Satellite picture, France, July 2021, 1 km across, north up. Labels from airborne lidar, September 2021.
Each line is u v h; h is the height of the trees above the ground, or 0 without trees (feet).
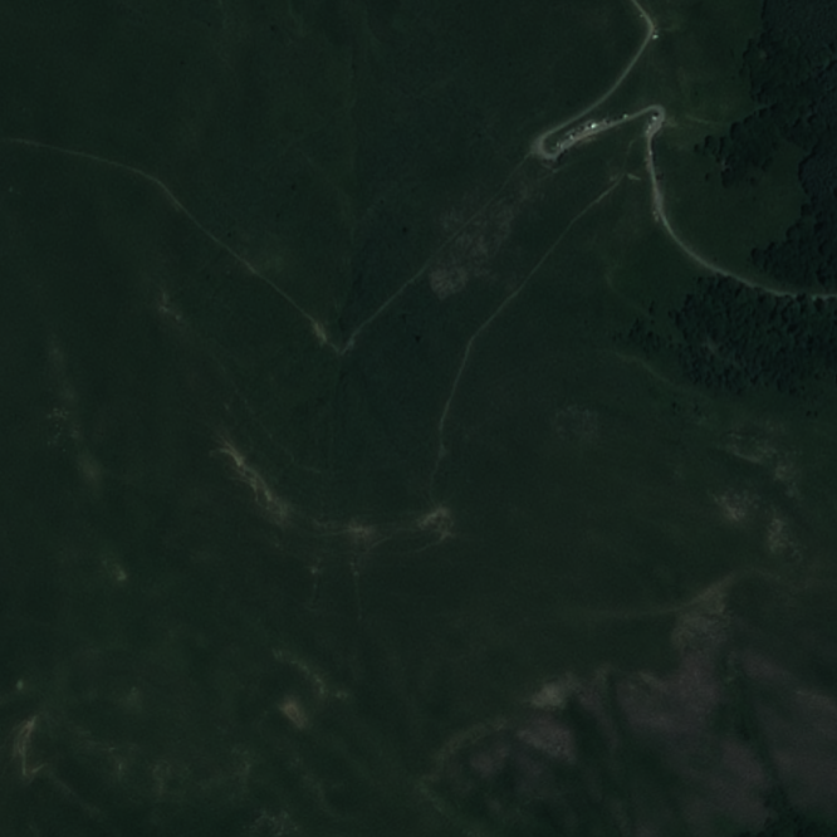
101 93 0
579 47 0
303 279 0
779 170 0
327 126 0
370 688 0
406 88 0
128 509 0
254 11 0
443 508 0
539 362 0
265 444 0
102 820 0
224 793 0
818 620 0
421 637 0
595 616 0
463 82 0
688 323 54
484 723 0
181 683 0
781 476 0
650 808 0
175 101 0
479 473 0
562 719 0
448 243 0
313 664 0
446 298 0
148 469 0
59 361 0
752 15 0
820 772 0
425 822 0
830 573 0
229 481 0
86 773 0
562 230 0
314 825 0
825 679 0
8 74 0
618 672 0
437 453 0
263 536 0
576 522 0
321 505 0
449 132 0
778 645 0
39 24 0
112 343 0
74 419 0
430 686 0
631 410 0
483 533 0
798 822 25
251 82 0
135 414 0
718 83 0
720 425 0
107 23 0
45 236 0
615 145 0
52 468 0
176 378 0
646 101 0
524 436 0
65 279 0
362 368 0
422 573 0
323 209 0
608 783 0
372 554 0
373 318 0
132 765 0
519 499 0
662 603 0
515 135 0
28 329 0
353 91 0
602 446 0
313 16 0
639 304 0
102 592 0
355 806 0
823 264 66
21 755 0
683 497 0
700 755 0
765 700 0
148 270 0
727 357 24
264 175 0
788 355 66
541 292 0
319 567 0
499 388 0
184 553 0
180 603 0
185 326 0
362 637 0
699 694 0
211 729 0
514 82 0
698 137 0
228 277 0
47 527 0
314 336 0
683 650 0
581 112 0
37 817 0
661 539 0
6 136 0
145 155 0
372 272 0
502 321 0
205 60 0
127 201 0
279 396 0
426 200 0
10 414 0
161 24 0
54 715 0
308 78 0
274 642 0
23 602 0
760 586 0
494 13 0
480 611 0
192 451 0
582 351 0
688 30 0
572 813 0
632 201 0
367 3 0
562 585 0
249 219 0
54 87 0
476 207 0
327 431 0
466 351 0
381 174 0
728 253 0
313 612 0
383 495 0
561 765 0
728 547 0
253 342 0
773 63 61
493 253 0
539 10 0
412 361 0
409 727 0
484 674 0
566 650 0
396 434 0
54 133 0
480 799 0
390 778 0
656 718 0
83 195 0
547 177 0
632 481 0
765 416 0
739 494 0
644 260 0
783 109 80
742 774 0
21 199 0
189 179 0
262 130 0
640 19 0
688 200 0
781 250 75
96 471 0
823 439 0
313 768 0
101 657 0
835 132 62
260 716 0
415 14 0
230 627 0
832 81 72
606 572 0
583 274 0
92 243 0
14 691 0
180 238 0
